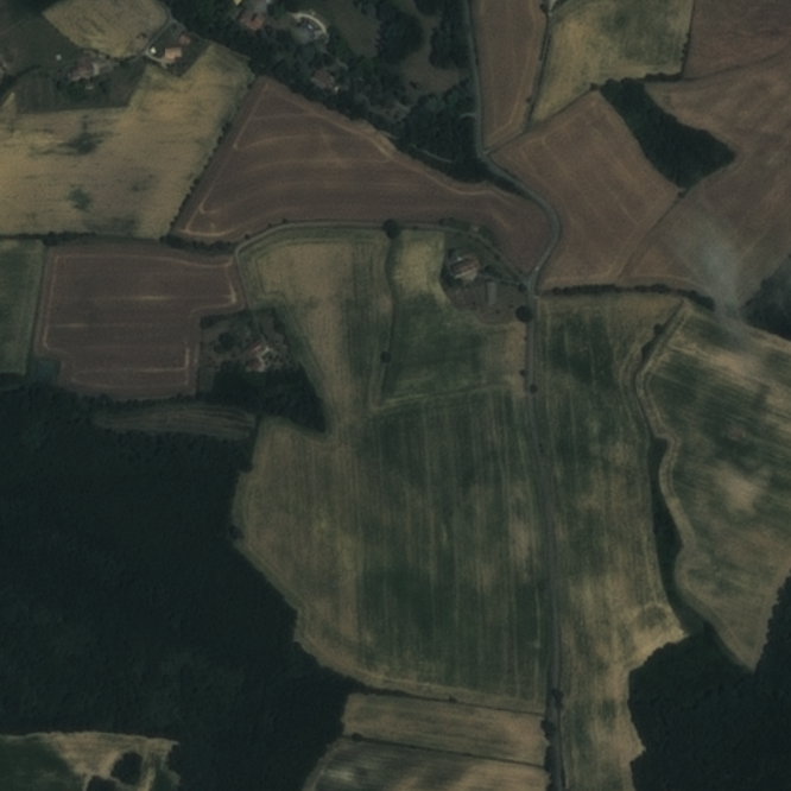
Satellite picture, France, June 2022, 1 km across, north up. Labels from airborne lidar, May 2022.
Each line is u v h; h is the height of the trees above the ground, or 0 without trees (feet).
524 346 0
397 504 0
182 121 0
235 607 43
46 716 56
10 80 29
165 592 39
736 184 0
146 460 56
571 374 0
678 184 36
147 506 35
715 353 0
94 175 0
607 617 0
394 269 0
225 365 29
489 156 0
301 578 0
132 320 0
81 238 22
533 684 0
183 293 0
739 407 0
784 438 0
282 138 0
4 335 0
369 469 0
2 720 44
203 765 47
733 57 0
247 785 39
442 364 0
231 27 59
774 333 33
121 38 0
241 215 0
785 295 53
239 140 0
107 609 50
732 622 0
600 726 0
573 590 0
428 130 59
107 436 63
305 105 0
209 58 0
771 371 0
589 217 0
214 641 52
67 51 0
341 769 0
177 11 71
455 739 0
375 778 0
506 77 0
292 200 0
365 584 0
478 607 0
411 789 0
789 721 51
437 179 0
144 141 0
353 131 0
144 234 0
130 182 0
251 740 40
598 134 0
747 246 0
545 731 51
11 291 0
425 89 0
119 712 42
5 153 0
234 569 38
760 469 0
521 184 0
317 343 0
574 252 0
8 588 26
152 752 0
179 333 0
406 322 0
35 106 0
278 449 0
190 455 58
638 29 0
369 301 0
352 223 0
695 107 0
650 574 0
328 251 0
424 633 0
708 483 0
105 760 0
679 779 51
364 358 0
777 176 0
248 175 0
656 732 44
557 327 0
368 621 0
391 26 81
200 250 39
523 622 0
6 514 50
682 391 0
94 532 48
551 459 0
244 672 39
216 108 0
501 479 0
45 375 0
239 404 40
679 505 0
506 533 0
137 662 34
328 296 0
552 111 0
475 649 0
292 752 52
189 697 49
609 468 0
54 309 0
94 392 0
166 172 0
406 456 0
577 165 0
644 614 0
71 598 52
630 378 0
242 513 0
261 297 0
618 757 0
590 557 0
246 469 41
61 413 36
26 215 0
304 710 47
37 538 63
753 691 79
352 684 41
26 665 49
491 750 0
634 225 0
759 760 45
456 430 0
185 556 39
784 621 53
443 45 62
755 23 0
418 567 0
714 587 0
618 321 0
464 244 0
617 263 0
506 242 0
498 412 0
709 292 0
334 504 0
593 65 0
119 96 0
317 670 38
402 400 0
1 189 0
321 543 0
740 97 0
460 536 0
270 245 0
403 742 0
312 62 44
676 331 0
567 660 0
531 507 0
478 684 0
